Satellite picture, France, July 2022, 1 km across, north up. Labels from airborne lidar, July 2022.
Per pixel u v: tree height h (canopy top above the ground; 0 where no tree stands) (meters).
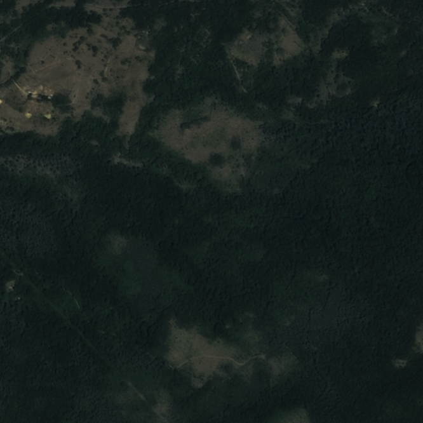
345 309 13
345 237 8
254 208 15
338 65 8
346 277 15
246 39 0
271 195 6
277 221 15
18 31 9
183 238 10
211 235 7
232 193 9
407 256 7
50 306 8
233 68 9
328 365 10
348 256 11
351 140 14
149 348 16
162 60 12
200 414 7
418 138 22
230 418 16
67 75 0
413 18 14
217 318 10
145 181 12
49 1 14
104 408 16
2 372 20
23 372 17
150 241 10
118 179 20
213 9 12
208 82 19
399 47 9
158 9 6
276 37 6
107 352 8
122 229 9
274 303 16
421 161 21
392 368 10
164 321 14
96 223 7
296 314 7
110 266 6
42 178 6
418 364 15
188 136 0
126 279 6
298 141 15
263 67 10
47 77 0
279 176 7
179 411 5
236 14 13
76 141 12
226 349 0
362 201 19
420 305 7
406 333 7
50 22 9
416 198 24
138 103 0
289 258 15
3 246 10
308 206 14
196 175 16
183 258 6
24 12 7
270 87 6
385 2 7
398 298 11
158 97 16
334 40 9
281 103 12
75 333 16
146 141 11
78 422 20
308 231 13
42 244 20
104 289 13
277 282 7
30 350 18
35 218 22
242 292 8
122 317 14
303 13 12
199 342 0
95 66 0
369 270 9
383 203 17
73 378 14
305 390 10
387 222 14
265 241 13
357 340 14
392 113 17
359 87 10
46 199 18
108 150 11
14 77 7
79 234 17
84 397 12
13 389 18
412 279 8
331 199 11
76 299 5
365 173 14
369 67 15
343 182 14
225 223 12
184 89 13
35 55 0
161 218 10
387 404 10
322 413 9
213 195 17
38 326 17
